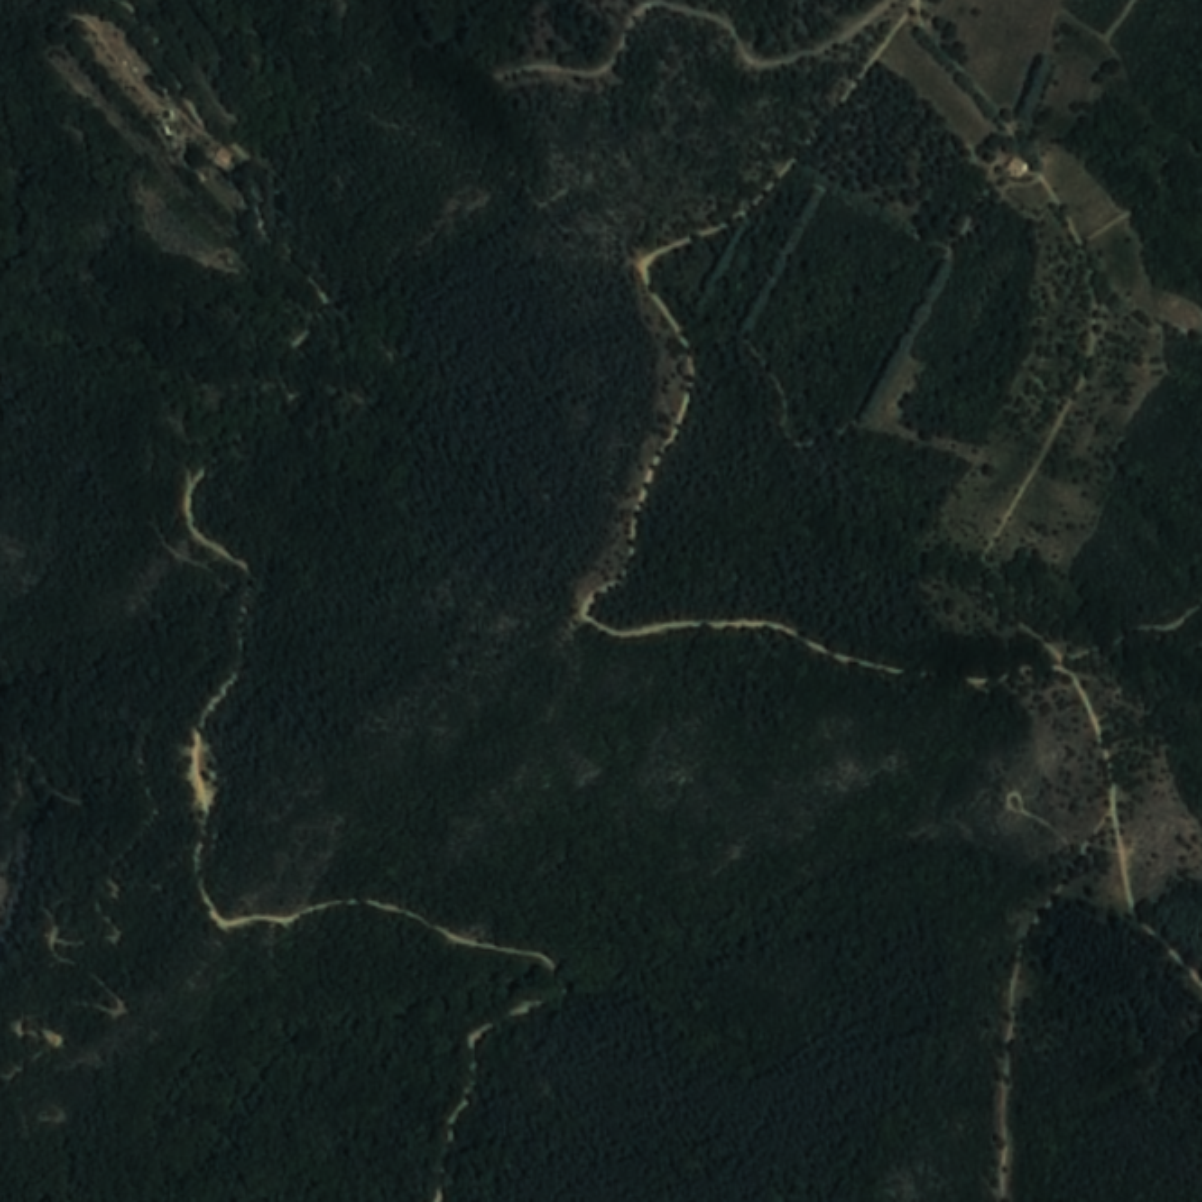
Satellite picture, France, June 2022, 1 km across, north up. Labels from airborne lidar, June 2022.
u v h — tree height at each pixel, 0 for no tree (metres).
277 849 6
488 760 7
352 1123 12
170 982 6
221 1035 18
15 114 20
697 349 7
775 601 18
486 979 12
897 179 15
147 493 15
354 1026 14
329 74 9
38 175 19
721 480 15
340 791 7
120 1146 9
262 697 13
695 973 8
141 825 10
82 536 12
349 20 8
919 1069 15
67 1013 16
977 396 13
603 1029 15
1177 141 15
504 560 11
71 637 6
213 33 9
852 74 7
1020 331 10
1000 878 7
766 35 16
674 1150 18
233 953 13
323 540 11
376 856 12
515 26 13
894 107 13
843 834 8
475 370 15
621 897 8
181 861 8
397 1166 9
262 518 12
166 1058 15
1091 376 9
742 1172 16
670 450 11
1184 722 7
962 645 14
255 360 14
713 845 7
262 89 9
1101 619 16
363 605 7
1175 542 11
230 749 7
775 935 13
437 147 6
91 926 8
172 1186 12
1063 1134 5
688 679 9
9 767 13
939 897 7
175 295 14
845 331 6
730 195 7
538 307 12
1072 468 7
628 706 8
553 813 11
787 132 7
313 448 14
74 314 13
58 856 12
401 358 7
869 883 10
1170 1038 21
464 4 23
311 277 15
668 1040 14
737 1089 19
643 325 12
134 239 13
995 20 0
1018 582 13
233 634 10
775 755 9
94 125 15
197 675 7
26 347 19
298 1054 12
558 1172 15
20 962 8
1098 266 10
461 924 8
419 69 12
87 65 12
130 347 21
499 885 10
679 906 13
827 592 18
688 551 15
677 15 8
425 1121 9
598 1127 10
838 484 17
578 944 16
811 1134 19
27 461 12
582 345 12
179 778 7
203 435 9
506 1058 6
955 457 7
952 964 13
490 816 7
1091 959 28
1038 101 9
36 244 19
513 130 16
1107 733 6
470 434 16
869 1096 16
